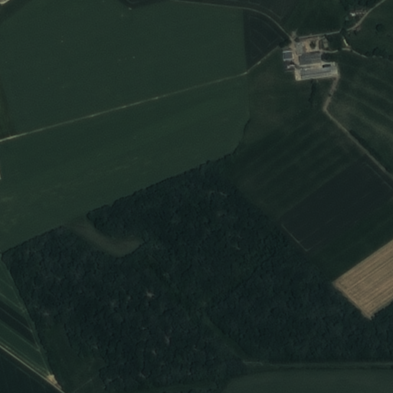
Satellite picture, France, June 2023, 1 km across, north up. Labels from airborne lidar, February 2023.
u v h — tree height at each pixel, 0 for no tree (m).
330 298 26
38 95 0
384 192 0
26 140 0
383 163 10
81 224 0
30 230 0
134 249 0
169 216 26
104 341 27
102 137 0
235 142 0
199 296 24
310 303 26
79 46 0
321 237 0
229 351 22
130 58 0
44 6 0
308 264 21
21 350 0
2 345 0
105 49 0
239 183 0
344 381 0
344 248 0
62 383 11
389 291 0
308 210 0
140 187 0
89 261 23
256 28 0
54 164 0
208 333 24
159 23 0
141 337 25
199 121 0
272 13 0
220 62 0
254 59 0
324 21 0
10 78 0
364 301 0
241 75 0
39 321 21
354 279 0
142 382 25
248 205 22
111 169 0
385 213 0
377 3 11
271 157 0
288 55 0
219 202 28
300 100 0
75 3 0
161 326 27
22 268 24
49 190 0
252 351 22
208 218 26
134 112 0
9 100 0
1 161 0
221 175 21
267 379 0
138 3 0
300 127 0
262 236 27
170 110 0
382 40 0
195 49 0
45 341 19
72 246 23
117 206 19
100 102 0
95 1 0
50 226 0
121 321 28
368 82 0
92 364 0
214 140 0
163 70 0
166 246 25
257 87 0
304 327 31
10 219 0
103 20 0
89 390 0
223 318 26
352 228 0
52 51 0
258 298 26
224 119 0
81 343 23
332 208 0
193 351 26
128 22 0
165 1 0
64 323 19
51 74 0
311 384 0
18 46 0
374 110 0
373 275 0
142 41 0
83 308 27
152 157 0
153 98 0
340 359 7
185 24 0
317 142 0
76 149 0
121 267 24
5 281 0
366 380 0
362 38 0
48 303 27
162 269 18
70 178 0
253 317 24
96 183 0
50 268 25
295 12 0
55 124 0
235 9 0
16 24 0
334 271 0
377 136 0
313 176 0
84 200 0
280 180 0
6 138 0
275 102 0
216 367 27
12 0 0
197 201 27
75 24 0
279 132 0
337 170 0
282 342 21
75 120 0
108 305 26
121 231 25
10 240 0
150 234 22
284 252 27
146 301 25
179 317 25
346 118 0
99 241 0
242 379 0
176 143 0
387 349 8
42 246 26
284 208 0
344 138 0
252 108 0
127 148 0
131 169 0
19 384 0
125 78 0
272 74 0
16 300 0
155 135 0
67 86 0
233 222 29
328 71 0
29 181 0
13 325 0
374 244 0
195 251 28
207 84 0
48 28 0
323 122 0
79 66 0
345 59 0
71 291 26
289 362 10
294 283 26
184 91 0
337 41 0
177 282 25
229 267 30
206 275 29
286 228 0
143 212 24
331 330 28
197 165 0
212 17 0
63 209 0
